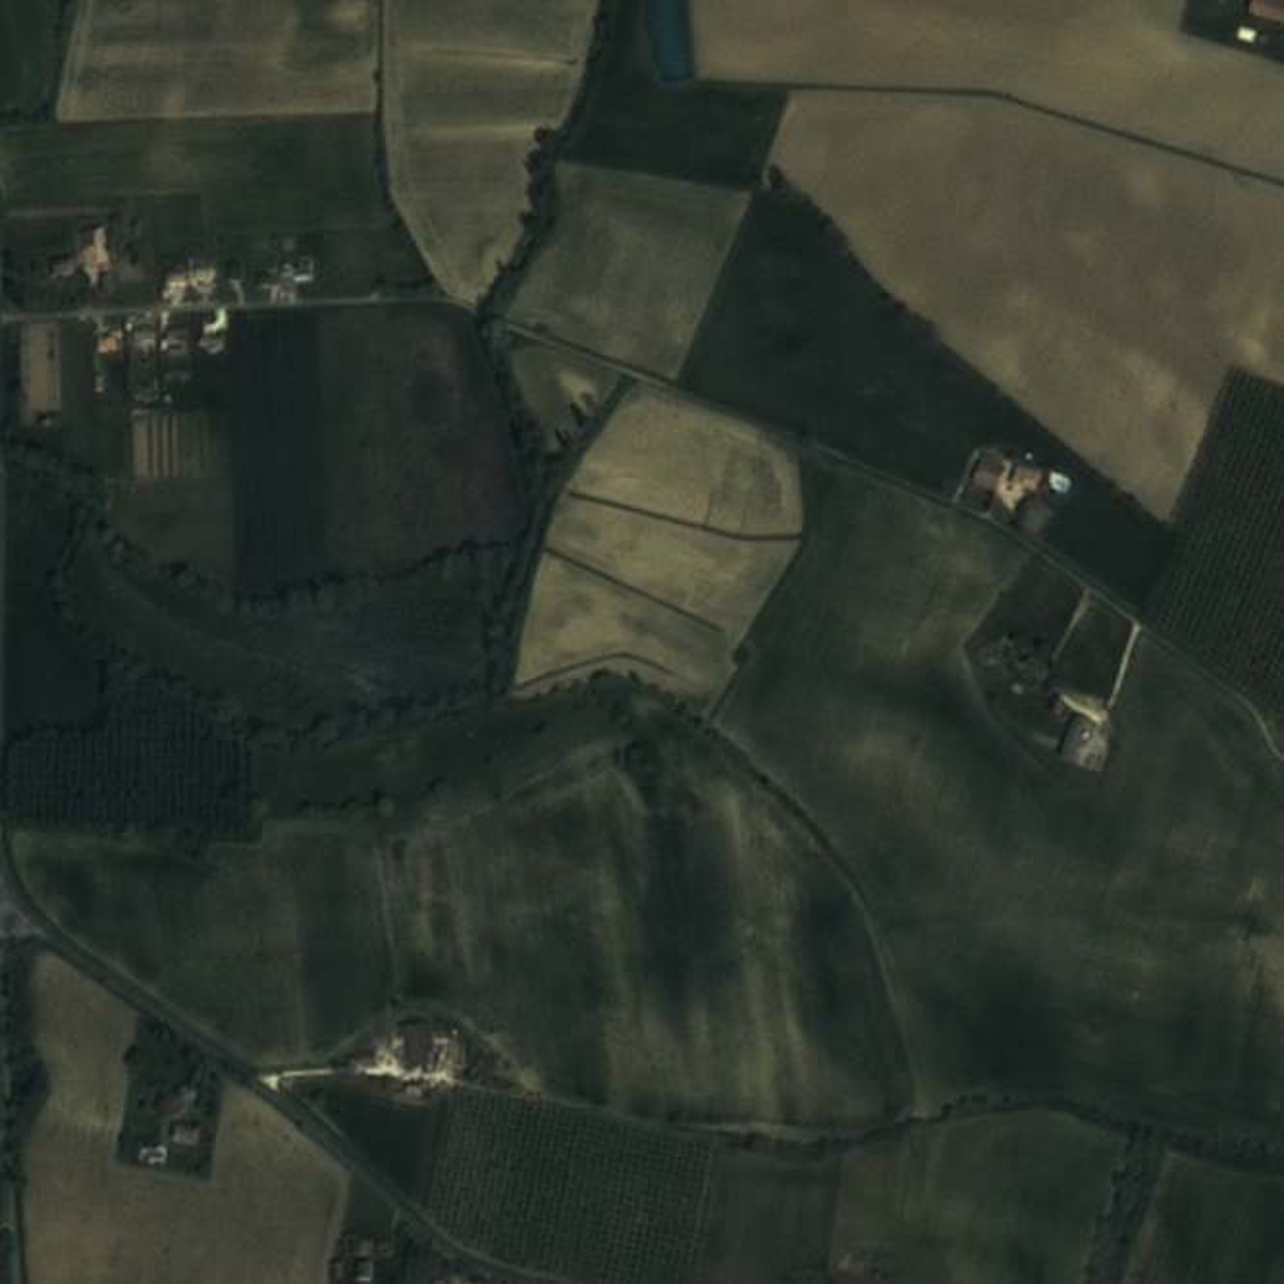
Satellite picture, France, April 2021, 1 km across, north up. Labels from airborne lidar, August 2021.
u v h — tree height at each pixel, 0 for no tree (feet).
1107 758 0
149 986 0
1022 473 0
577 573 0
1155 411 0
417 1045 0
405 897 0
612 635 0
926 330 39
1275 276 0
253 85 0
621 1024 0
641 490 0
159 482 0
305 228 0
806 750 0
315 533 0
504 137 0
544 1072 0
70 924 0
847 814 0
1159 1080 0
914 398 0
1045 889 0
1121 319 0
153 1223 0
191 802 75
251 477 0
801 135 0
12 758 56
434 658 0
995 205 0
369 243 0
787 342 0
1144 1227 34
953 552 0
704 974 0
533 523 45
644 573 0
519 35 0
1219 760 0
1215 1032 0
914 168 0
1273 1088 0
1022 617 0
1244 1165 29
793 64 0
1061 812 0
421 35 0
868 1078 0
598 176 0
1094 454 0
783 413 0
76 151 0
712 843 0
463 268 0
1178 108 0
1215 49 0
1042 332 0
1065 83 0
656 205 0
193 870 0
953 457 0
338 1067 37
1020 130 0
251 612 48
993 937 0
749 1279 0
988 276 0
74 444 0
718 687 0
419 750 0
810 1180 0
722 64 0
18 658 0
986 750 0
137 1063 34
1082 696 0
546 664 0
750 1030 0
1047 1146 0
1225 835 0
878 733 0
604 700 30
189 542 0
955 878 0
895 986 0
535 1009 0
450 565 64
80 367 0
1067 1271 0
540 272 0
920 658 0
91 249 0
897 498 0
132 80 0
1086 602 0
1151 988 0
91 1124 0
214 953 0
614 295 0
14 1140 49
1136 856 0
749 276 0
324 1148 0
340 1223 0
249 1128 0
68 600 39
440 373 0
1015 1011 0
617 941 0
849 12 0
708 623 0
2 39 0
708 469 0
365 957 0
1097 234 0
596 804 0
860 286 0
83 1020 0
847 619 0
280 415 0
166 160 0
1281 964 0
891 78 0
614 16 25
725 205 0
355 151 0
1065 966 0
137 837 71
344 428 0
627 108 0
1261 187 0
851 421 0
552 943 0
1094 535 0
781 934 0
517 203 0
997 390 28
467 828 0
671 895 0
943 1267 0
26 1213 0
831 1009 0
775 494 0
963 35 0
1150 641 0
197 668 0
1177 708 0
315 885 0
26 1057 37
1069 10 0
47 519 0
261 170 0
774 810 0
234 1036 0
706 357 0
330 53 0
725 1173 0
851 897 0
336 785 0
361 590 53
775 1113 0
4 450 23
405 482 0
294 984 0
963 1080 0
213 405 0
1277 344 0
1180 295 0
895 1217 0
